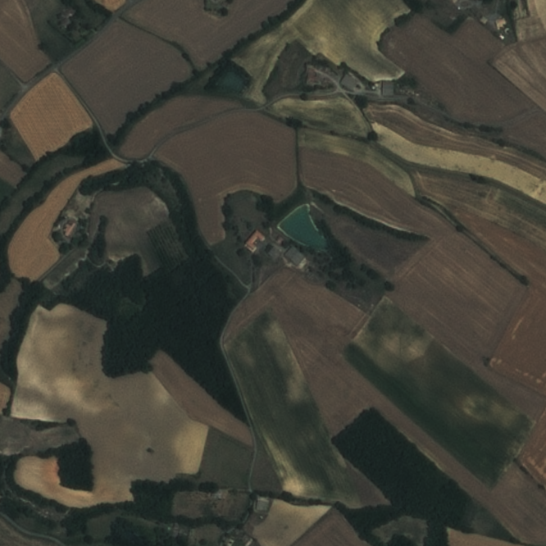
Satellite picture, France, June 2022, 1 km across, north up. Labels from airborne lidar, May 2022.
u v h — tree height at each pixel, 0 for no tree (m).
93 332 0
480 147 0
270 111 0
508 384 0
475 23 0
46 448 0
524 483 0
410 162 0
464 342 0
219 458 0
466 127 11
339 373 0
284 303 0
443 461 0
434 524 14
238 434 0
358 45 0
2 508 15
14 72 0
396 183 0
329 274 8
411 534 0
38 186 0
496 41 0
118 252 0
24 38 0
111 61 0
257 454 0
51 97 0
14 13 0
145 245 0
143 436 0
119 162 0
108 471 0
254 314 0
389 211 0
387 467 16
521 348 0
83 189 12
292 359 0
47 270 0
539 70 0
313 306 0
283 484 0
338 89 0
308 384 0
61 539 0
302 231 0
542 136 0
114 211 0
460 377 0
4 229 0
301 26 0
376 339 0
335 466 0
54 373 0
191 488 20
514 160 0
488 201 0
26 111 0
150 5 0
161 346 15
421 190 0
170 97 17
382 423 11
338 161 0
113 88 0
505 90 0
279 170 0
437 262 0
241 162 0
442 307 0
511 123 0
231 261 0
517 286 0
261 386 0
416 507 15
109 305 15
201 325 18
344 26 0
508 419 0
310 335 0
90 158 17
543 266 0
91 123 0
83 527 12
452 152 0
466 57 0
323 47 0
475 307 0
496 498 0
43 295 6
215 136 0
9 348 9
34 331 0
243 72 14
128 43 0
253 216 0
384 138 0
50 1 0
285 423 0
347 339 0
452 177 0
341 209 12
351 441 13
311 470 0
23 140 0
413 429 0
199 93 0
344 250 10
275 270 0
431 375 0
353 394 0
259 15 0
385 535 0
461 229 12
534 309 0
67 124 0
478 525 0
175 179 13
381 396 0
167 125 0
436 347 0
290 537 0
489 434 0
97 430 0
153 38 0
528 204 0
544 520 0
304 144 0
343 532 0
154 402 0
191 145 0
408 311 0
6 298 0
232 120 0
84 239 7
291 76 0
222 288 14
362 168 0
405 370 0
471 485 0
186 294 10
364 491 0
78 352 0
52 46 0
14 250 0
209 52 0
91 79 0
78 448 13
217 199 0
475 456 0
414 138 0
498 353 0
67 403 0
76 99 0
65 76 0
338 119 0
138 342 17
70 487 10
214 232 0
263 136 0
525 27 0
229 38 0
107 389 0
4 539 0
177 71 0
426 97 0
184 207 10
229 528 11
